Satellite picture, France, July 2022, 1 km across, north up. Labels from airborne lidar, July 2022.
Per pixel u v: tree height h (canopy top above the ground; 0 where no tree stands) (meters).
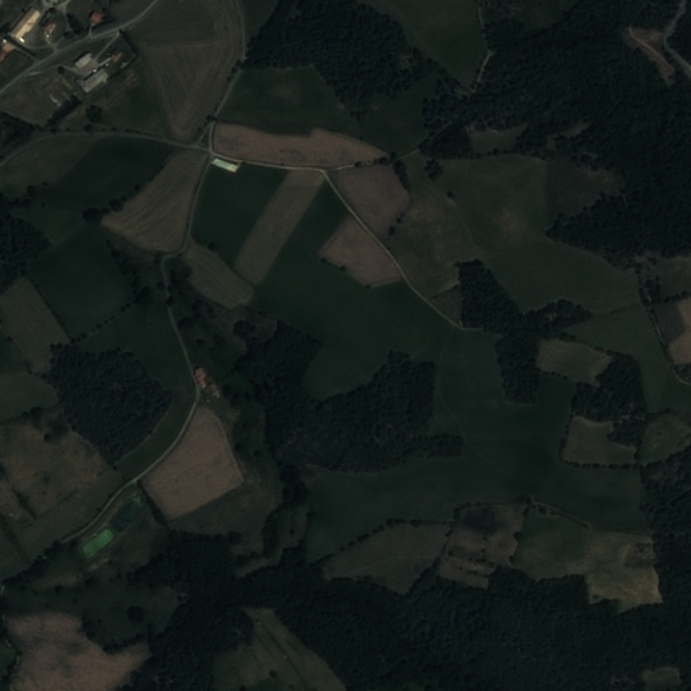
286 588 21
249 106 0
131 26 0
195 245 0
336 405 13
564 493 0
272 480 0
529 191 0
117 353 13
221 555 21
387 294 0
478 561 8
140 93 0
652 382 0
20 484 0
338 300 0
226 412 0
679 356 0
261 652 0
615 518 0
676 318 0
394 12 0
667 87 16
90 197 0
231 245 0
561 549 0
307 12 10
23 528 0
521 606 17
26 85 0
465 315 13
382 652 21
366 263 0
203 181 0
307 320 0
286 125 0
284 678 0
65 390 10
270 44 16
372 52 20
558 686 12
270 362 15
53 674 0
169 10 0
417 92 0
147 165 0
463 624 15
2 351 0
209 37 0
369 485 0
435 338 0
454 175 0
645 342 0
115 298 0
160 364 0
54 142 0
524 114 8
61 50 0
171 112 0
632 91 11
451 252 0
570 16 19
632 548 0
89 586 12
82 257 0
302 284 0
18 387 0
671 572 11
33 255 12
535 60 13
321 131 0
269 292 0
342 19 14
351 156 0
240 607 17
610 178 0
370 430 13
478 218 0
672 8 12
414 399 19
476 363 0
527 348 9
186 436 0
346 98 12
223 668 0
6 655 0
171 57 0
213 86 0
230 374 7
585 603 10
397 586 0
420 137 0
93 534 0
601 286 0
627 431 7
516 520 0
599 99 11
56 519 0
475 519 0
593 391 11
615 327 0
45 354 0
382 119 0
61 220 0
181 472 0
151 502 12
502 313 12
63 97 0
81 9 0
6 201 24
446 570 0
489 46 9
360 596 16
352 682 19
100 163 0
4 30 7
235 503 0
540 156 11
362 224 0
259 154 0
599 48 15
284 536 0
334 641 15
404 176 15
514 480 0
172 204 0
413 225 0
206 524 0
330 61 15
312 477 0
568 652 17
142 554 0
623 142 14
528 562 0
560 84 16
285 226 0
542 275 0
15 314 0
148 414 16
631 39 0
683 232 10
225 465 0
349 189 0
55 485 0
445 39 0
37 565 16
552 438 0
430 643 17
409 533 0
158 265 8
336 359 0
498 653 12
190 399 0
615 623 14
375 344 0
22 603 0
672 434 0
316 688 0
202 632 24
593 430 0
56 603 0
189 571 23
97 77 0
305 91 0
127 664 0
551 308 9
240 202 0
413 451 9
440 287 0
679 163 17
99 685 0
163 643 19
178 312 0
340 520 0
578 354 0
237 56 0
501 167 0
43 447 0
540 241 0
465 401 0
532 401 11
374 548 0
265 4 0
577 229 12
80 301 0
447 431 0
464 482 0
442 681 22
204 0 0
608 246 9
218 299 0
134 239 0
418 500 0
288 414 22
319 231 0
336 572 0
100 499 0
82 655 0
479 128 12
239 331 13
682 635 19
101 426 12
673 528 13
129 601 0
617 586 0
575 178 0
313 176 0
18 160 0
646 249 11
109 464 9
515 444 0
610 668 18
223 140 0
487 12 0
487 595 11
